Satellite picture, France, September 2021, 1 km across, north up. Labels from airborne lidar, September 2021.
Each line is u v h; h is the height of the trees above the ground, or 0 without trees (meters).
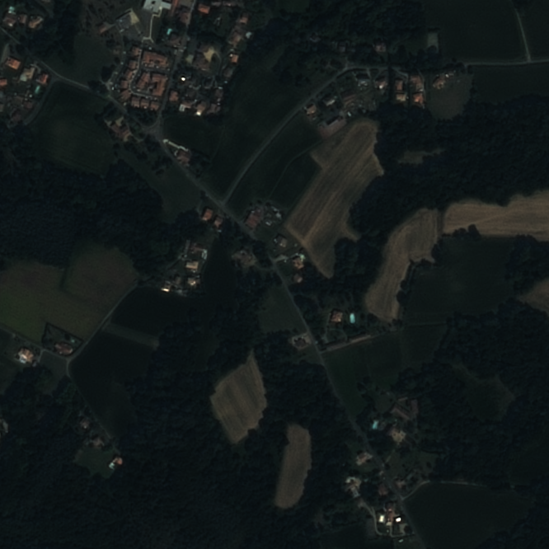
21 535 16
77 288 0
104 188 25
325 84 0
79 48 0
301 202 0
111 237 30
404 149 19
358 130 0
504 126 24
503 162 23
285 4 0
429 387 16
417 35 17
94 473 0
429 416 23
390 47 22
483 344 31
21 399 28
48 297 0
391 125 24
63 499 14
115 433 0
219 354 17
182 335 22
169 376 20
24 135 25
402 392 15
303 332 0
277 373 17
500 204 15
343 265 20
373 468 0
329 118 0
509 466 14
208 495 19
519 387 19
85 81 0
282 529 15
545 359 26
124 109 0
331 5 18
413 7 17
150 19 0
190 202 0
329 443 10
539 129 33
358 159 0
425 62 18
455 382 18
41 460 20
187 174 0
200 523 20
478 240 22
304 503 10
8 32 5
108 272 0
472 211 0
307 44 15
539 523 23
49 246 19
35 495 15
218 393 0
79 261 0
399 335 0
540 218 0
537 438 18
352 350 0
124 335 0
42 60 7
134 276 0
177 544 13
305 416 19
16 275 0
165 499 18
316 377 22
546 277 10
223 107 13
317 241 0
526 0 20
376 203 24
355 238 0
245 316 17
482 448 29
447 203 9
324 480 19
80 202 30
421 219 0
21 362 0
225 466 20
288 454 0
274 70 8
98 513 22
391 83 7
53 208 19
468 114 20
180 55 0
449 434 18
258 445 16
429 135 30
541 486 19
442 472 23
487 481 23
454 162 29
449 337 14
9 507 18
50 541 21
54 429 23
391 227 9
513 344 21
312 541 20
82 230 25
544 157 27
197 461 20
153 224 20
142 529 15
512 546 24
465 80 0
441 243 11
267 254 7
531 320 29
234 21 6
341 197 0
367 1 26
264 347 21
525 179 27
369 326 7
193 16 9
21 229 18
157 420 32
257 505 14
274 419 20
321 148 0
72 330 0
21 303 0
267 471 12
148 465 25
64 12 10
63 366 0
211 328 14
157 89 0
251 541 11
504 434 25
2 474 25
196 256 0
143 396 28
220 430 19
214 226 7
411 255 0
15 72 0
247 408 0
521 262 23
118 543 19
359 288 18
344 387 0
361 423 19
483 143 27
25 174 8
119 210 30
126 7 0
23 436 33
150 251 33
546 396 25
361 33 20
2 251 21
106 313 0
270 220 0
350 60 8
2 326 0
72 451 17
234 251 11
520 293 13
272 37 24
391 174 21
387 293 0
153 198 23
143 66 0
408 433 14
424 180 31
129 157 0
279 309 0
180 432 20
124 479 25
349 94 0
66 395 19
